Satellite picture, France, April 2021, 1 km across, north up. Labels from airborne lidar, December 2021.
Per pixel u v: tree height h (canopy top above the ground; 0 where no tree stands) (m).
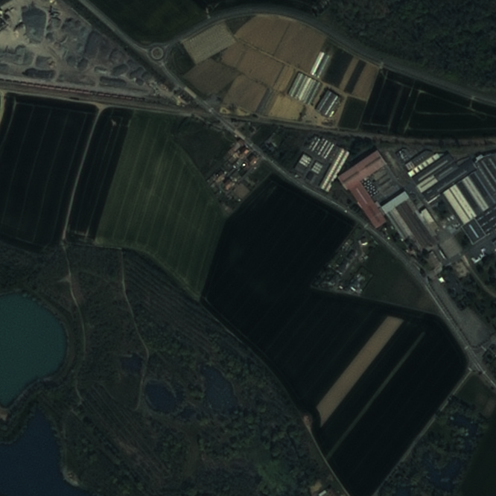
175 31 0
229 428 18
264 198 0
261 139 0
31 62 0
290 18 0
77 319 11
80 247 11
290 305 0
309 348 0
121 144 0
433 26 26
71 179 0
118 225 0
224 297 0
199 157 0
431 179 0
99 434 16
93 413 16
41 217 0
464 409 13
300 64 0
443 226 0
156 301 14
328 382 0
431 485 19
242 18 0
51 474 0
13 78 0
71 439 11
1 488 0
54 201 0
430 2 19
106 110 0
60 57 0
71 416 11
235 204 11
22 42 0
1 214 0
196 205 0
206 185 0
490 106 0
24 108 0
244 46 0
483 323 0
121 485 20
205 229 0
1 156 0
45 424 0
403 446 0
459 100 0
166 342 18
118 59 0
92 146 0
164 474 7
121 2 0
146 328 14
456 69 27
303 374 0
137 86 0
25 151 0
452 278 0
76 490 0
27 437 0
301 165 0
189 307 19
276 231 0
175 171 0
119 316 7
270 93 0
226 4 0
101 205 0
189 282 0
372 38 11
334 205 0
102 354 12
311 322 0
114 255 17
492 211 0
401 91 0
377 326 0
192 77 0
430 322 0
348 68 0
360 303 0
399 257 0
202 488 10
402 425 0
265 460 0
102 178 0
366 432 0
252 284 0
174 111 0
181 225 0
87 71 0
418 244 0
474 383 0
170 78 0
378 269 0
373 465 0
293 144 0
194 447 0
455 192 0
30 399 13
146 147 0
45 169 0
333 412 0
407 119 0
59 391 23
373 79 0
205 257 0
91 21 7
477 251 0
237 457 0
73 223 0
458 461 0
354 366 0
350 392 0
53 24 0
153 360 14
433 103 0
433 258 0
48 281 0
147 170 0
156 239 0
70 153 0
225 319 0
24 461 0
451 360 0
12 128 0
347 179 0
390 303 0
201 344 16
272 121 0
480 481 0
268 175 0
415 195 0
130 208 0
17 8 0
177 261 0
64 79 0
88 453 13
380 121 0
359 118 0
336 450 0
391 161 0
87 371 11
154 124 0
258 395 9
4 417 0
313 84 0
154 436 10
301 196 0
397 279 0
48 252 0
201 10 0
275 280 0
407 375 0
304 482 12
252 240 0
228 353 19
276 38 0
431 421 0
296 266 0
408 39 17
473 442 15
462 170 0
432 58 24
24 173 0
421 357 0
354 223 0
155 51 0
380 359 0
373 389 0
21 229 0
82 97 0
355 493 0
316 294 0
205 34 0
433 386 0
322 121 0
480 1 20
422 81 0
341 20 13
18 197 0
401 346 0
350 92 0
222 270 0
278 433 15
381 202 0
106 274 10
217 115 0
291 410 17
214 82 0
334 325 0
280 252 0
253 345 0
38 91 0
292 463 13
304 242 0
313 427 0
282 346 0
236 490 18
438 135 0
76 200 0
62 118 0
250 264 0
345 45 0
